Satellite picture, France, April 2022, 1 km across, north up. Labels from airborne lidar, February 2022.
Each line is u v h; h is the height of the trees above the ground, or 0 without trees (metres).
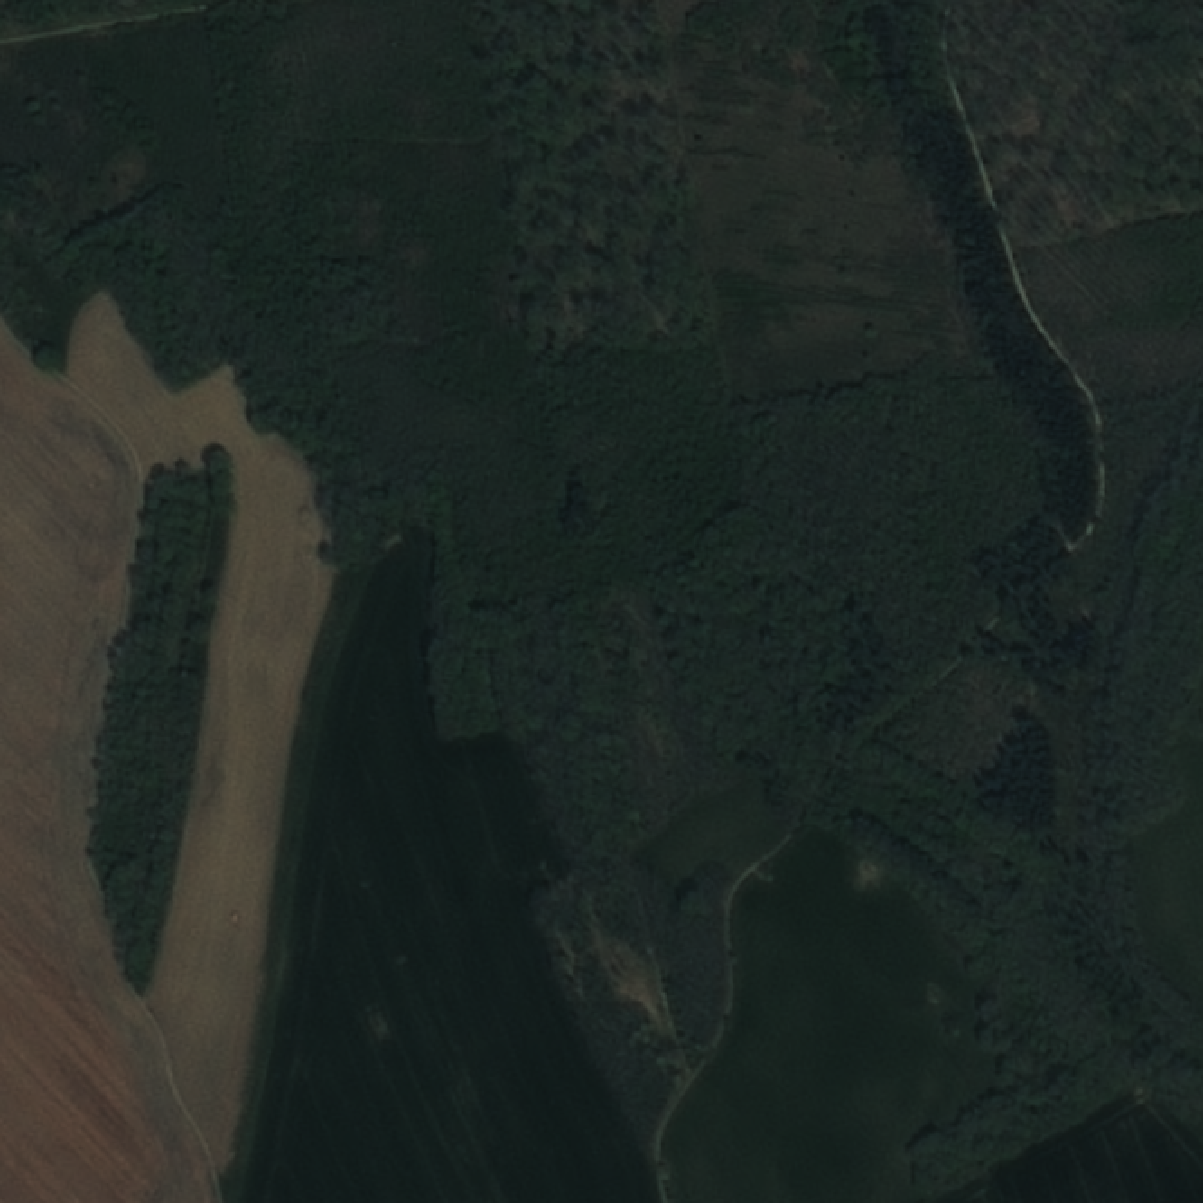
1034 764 28
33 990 0
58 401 0
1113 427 15
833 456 19
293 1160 0
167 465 0
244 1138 0
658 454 11
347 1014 0
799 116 0
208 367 22
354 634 0
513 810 0
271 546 0
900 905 0
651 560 16
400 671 0
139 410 0
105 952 0
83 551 0
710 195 0
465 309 6
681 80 0
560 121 29
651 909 26
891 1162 0
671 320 33
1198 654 23
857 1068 0
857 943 0
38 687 0
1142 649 29
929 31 23
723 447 12
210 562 0
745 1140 0
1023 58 29
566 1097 0
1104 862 24
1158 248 10
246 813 0
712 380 12
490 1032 0
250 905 0
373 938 0
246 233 13
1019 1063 23
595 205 32
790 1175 0
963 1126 12
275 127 11
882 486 17
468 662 19
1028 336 25
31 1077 0
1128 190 30
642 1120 16
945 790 21
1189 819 0
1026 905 27
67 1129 0
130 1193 0
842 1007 0
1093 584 16
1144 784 27
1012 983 19
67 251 18
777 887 0
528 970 0
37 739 0
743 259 0
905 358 0
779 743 25
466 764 0
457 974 0
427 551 0
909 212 0
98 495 0
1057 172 0
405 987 0
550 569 10
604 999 18
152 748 20
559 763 23
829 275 0
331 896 0
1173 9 33
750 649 25
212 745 0
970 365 7
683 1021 8
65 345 0
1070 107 33
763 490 20
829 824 18
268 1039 0
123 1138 0
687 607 29
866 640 12
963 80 25
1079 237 29
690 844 0
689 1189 0
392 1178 0
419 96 10
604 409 14
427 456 15
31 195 20
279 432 14
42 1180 0
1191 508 22
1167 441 15
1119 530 16
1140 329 7
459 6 9
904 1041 0
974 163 23
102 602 0
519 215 26
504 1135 0
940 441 14
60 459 0
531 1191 0
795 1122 0
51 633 0
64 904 0
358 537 26
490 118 6
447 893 0
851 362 0
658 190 30
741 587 20
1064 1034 22
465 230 8
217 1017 0
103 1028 0
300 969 0
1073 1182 0
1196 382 12
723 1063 0
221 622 0
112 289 23
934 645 21
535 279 31
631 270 28
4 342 0
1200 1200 0
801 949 0
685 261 30
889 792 13
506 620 26
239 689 0
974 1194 0
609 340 26
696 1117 0
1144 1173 0
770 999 0
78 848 0
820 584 22
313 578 0
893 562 20
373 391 8
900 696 22
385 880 0
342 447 23
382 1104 0
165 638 19
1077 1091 27
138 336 17
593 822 26
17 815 0
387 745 0
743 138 0
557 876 0
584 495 24
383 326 17
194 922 0
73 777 0
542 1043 0
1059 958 32
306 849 0
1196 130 33
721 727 29
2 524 0
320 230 11
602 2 27
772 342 0
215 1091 0
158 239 30
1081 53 28
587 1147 0
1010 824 29
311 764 0
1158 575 24
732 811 0
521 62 27
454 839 0
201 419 0
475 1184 0
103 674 0
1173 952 0
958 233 16
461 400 9
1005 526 15
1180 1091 24
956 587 15
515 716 25
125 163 0
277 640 0
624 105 0
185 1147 0
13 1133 0
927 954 0
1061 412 23
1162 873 0
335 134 6
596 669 29
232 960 0
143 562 13
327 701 0
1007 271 22
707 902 29
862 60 9
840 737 18
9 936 0
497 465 10
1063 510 18
